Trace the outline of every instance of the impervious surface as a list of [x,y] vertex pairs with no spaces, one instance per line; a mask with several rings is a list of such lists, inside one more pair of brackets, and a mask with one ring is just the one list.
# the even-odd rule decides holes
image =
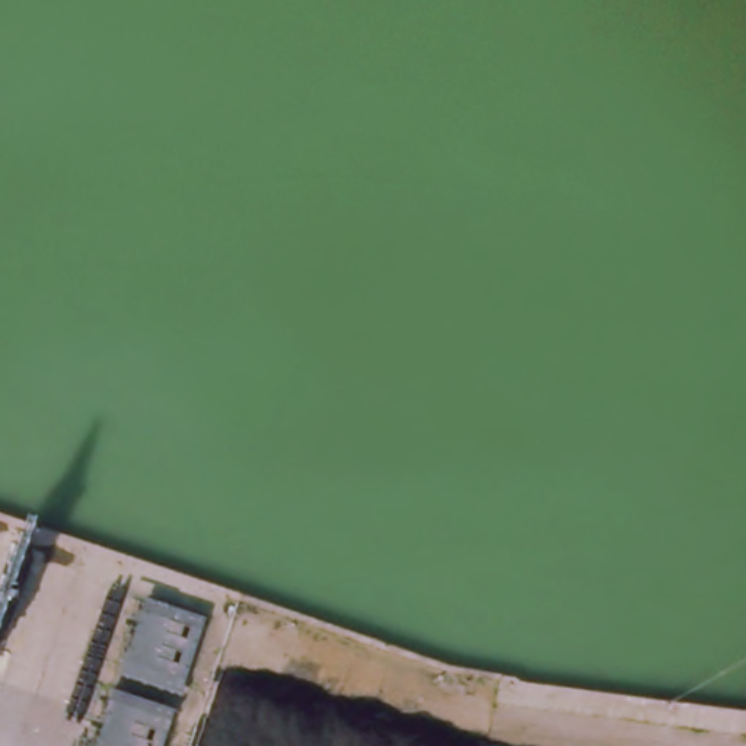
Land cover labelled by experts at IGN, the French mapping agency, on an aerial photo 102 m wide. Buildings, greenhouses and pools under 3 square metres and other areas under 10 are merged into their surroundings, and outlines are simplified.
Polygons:
[[15,519],[9,513],[0,513],[0,746],[76,746],[79,737],[87,737],[93,731],[93,723],[102,717],[102,702],[111,702],[111,696],[119,691],[117,682],[122,679],[119,667],[128,621],[134,618],[140,597],[152,594],[157,586],[178,589],[213,606],[213,624],[195,670],[195,685],[189,688],[189,696],[181,705],[178,734],[172,746],[192,746],[195,729],[201,717],[210,714],[216,699],[216,673],[224,667],[288,673],[306,682],[318,682],[332,694],[373,696],[399,711],[423,711],[458,729],[478,731],[513,746],[746,746],[746,711],[536,685],[504,673],[446,664],[385,644],[379,638],[318,621],[312,615],[67,533],[55,536],[50,527],[35,525],[35,519]]

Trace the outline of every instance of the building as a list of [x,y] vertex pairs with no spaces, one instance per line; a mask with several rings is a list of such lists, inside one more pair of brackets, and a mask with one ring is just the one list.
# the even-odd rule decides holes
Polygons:
[[111,696],[111,702],[102,702],[102,717],[93,723],[93,731],[87,737],[79,737],[76,746],[172,746],[178,734],[181,705],[189,696],[189,688],[195,685],[195,670],[213,624],[213,606],[178,589],[157,586],[152,594],[140,597],[134,618],[128,621],[119,667],[122,679],[117,682],[119,691]]

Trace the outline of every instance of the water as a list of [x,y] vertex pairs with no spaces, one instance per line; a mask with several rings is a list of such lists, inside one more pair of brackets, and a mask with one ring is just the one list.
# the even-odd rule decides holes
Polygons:
[[746,0],[0,0],[0,513],[9,513],[15,519],[35,519],[35,525],[50,527],[55,536],[67,533],[312,615],[318,621],[379,638],[385,644],[446,664],[504,673],[536,685],[746,711]]

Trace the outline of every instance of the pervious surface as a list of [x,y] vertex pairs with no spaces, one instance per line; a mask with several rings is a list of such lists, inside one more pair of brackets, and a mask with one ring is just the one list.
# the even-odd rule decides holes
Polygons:
[[306,682],[288,673],[224,667],[216,673],[216,699],[210,714],[201,717],[195,729],[192,746],[513,746],[478,731],[458,729],[423,711],[399,711],[373,696],[332,694],[318,682]]

